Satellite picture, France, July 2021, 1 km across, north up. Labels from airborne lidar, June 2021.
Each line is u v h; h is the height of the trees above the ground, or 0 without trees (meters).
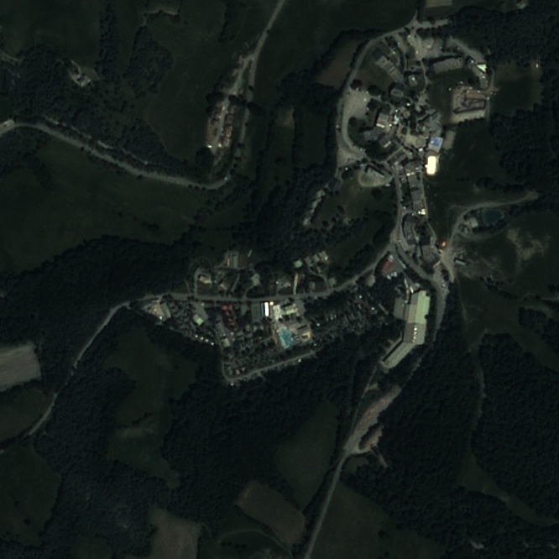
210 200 12
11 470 0
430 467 24
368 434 8
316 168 16
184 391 0
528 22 22
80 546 0
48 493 0
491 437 22
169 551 0
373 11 0
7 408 0
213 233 0
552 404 23
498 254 0
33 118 13
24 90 13
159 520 0
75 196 0
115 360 0
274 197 21
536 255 0
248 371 8
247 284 10
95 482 12
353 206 0
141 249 20
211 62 0
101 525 11
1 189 0
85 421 19
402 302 0
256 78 0
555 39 14
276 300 0
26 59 11
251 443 33
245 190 17
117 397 17
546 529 10
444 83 0
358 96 0
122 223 0
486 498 30
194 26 0
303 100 21
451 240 0
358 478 25
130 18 0
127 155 10
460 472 19
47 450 12
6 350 0
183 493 18
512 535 9
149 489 17
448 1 0
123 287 19
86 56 0
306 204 7
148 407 0
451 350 24
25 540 0
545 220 0
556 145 18
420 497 31
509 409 19
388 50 0
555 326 25
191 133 0
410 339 0
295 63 0
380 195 20
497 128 24
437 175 0
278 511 0
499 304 0
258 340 6
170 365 0
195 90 0
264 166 15
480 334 0
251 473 24
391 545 0
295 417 29
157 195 0
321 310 20
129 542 11
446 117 0
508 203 0
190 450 26
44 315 13
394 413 29
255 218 16
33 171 17
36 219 0
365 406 0
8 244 0
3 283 17
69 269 16
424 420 29
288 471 0
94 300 15
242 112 0
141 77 8
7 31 0
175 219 0
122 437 0
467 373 23
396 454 29
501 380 23
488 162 0
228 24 10
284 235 13
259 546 0
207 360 23
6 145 12
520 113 16
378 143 14
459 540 24
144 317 15
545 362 0
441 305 0
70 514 16
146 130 8
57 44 0
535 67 0
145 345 0
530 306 0
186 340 14
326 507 0
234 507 10
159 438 0
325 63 16
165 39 0
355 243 0
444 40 7
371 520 0
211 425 26
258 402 22
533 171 26
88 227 0
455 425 29
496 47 16
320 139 0
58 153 0
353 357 20
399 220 0
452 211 0
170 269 27
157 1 0
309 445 0
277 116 16
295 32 0
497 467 28
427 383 27
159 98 0
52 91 10
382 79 0
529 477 25
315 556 0
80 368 11
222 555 0
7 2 0
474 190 0
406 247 0
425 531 28
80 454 16
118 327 15
